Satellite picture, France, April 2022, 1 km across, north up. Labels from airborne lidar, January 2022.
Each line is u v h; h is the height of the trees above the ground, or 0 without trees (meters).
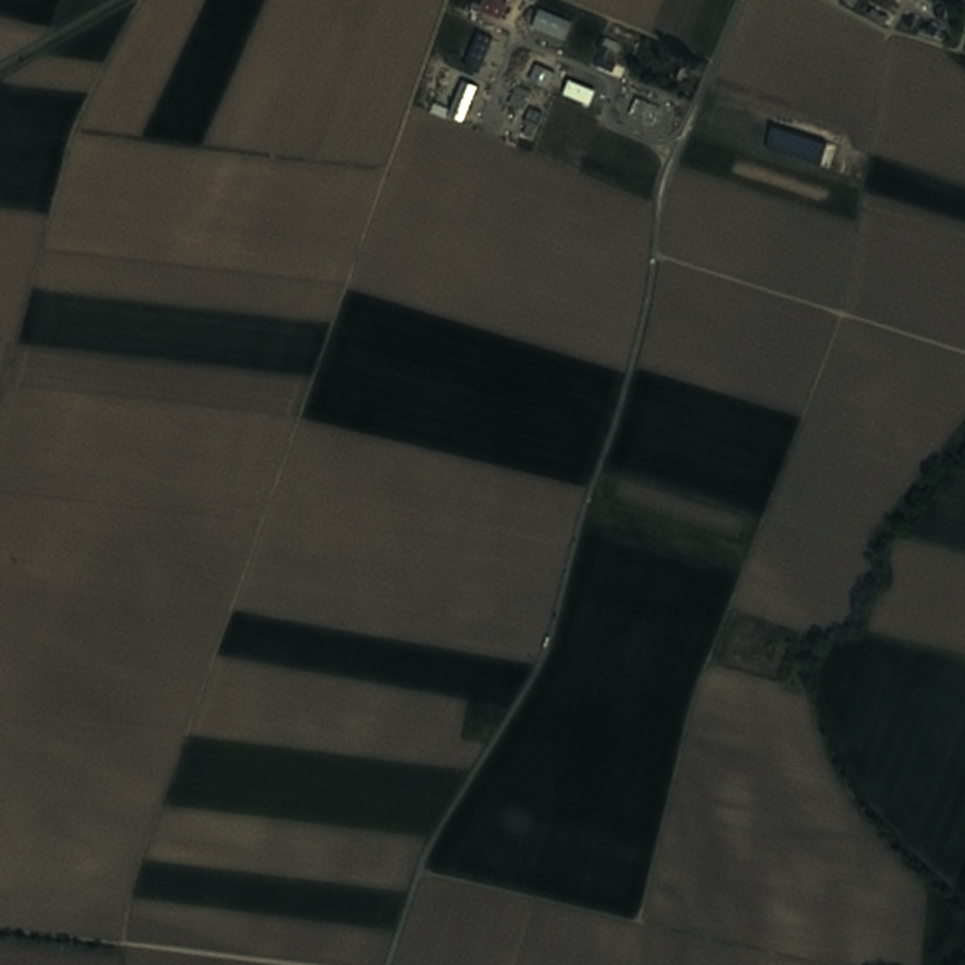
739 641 0
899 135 0
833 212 0
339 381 0
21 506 0
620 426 0
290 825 0
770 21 0
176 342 0
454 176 0
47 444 0
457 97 0
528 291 0
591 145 0
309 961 0
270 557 0
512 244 0
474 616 0
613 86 0
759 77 0
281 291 0
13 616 0
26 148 0
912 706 0
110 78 0
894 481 0
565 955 0
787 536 0
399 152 0
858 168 0
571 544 0
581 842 0
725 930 0
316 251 0
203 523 0
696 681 0
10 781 0
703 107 0
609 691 0
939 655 0
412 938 0
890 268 0
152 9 0
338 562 0
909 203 0
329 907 0
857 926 0
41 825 0
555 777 0
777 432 0
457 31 0
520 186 0
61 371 0
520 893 0
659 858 0
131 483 0
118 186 0
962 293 0
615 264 0
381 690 0
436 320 0
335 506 0
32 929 0
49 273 0
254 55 0
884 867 0
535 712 0
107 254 0
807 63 0
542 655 0
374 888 0
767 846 0
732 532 0
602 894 0
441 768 0
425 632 0
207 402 0
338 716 0
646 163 0
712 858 0
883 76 0
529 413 0
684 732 0
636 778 0
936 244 0
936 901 0
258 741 0
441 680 0
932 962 0
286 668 0
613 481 0
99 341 0
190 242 0
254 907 0
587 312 0
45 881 0
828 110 0
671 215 0
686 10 0
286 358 0
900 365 0
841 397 0
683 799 0
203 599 0
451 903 0
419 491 0
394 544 0
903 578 0
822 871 0
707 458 0
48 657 0
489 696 0
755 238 0
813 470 0
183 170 0
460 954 0
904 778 0
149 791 0
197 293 0
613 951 0
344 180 0
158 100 0
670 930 0
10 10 0
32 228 0
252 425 0
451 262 0
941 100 0
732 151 0
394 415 0
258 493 0
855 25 0
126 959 0
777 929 0
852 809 0
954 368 0
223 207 0
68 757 0
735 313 0
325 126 0
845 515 0
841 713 0
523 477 0
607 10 0
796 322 0
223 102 0
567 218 0
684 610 0
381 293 0
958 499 0
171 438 0
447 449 0
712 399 0
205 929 0
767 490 0
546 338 0
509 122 0
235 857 0
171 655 0
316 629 0
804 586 0
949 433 0
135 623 0
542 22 0
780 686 0
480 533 0
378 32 0
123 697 0
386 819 0
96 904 0
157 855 0
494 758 0
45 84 0
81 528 0
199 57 0
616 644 0
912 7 0
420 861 0
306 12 0
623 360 0
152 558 0
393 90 0
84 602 0
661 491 0
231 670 0
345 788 0
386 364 0
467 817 0
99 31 0
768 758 0
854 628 14
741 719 0
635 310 0
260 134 0
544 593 0
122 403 0
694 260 0
